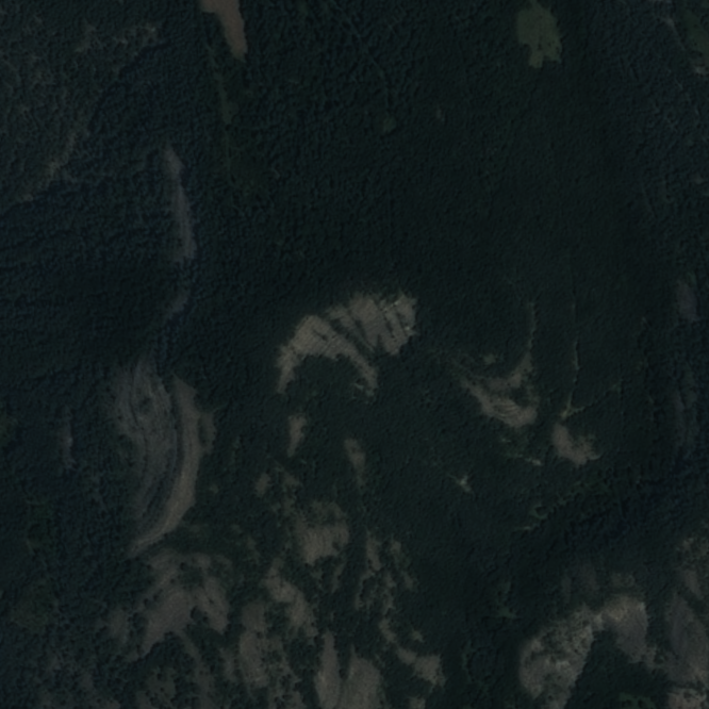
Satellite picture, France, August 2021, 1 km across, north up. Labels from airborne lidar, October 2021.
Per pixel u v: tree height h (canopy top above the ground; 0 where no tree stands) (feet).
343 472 47
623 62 42
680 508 27
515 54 64
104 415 31
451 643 51
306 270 58
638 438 52
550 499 46
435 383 55
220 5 0
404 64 77
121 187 33
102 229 50
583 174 49
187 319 40
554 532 73
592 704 49
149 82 62
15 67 35
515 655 32
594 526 72
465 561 54
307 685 37
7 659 59
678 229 37
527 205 55
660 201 45
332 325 19
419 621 43
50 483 70
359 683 0
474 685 23
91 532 57
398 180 59
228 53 38
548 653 25
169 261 26
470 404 44
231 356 66
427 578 40
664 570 51
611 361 50
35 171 42
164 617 0
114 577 29
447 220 50
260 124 74
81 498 77
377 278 48
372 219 58
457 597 52
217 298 56
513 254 38
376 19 97
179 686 49
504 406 0
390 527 47
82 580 51
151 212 23
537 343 31
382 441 46
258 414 51
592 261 66
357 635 33
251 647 0
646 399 86
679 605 0
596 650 51
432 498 57
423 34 61
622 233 73
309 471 51
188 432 0
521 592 56
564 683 0
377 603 25
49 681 48
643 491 89
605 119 56
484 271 51
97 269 66
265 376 41
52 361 61
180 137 49
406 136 61
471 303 61
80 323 57
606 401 44
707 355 48
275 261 64
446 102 50
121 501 37
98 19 44
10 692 62
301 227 56
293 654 36
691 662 0
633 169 42
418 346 66
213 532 20
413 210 62
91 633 36
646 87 31
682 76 36
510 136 52
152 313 57
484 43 51
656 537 43
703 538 23
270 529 51
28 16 35
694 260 40
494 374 47
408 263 71
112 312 75
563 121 52
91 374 44
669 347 33
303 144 53
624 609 0
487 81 63
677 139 37
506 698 69
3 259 66
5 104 48
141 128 57
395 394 47
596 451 22
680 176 47
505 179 50
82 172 56
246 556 22
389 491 56
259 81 39
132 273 71
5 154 58
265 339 55
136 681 33
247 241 71
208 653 49
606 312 46
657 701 50
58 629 27
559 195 44
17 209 64
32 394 64
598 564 24
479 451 62
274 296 61
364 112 65
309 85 69
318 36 26
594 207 63
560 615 28
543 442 56
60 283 64
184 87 61
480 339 59
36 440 83
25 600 69
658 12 35
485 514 66
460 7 77
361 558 41
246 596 49
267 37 92
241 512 45
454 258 45
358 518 40
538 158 58
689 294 0
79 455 60
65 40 58
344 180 68
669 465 49
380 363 37
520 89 42
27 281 72
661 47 51
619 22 42
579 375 39
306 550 0
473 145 47
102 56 60
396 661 30
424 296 41
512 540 54
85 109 51
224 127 23
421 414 43
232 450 21
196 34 63
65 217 52
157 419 0
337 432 57
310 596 29
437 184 58
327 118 91
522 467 45
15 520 64
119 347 67
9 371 58
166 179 36
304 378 42
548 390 51
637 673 39
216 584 0
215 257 41
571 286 48
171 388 22
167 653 42
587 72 60
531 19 0
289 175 64
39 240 25
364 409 49
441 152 57
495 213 59
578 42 49
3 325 48
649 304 68
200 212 30
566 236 52
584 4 42
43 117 52
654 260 56
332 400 66
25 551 46
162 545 17
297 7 97
